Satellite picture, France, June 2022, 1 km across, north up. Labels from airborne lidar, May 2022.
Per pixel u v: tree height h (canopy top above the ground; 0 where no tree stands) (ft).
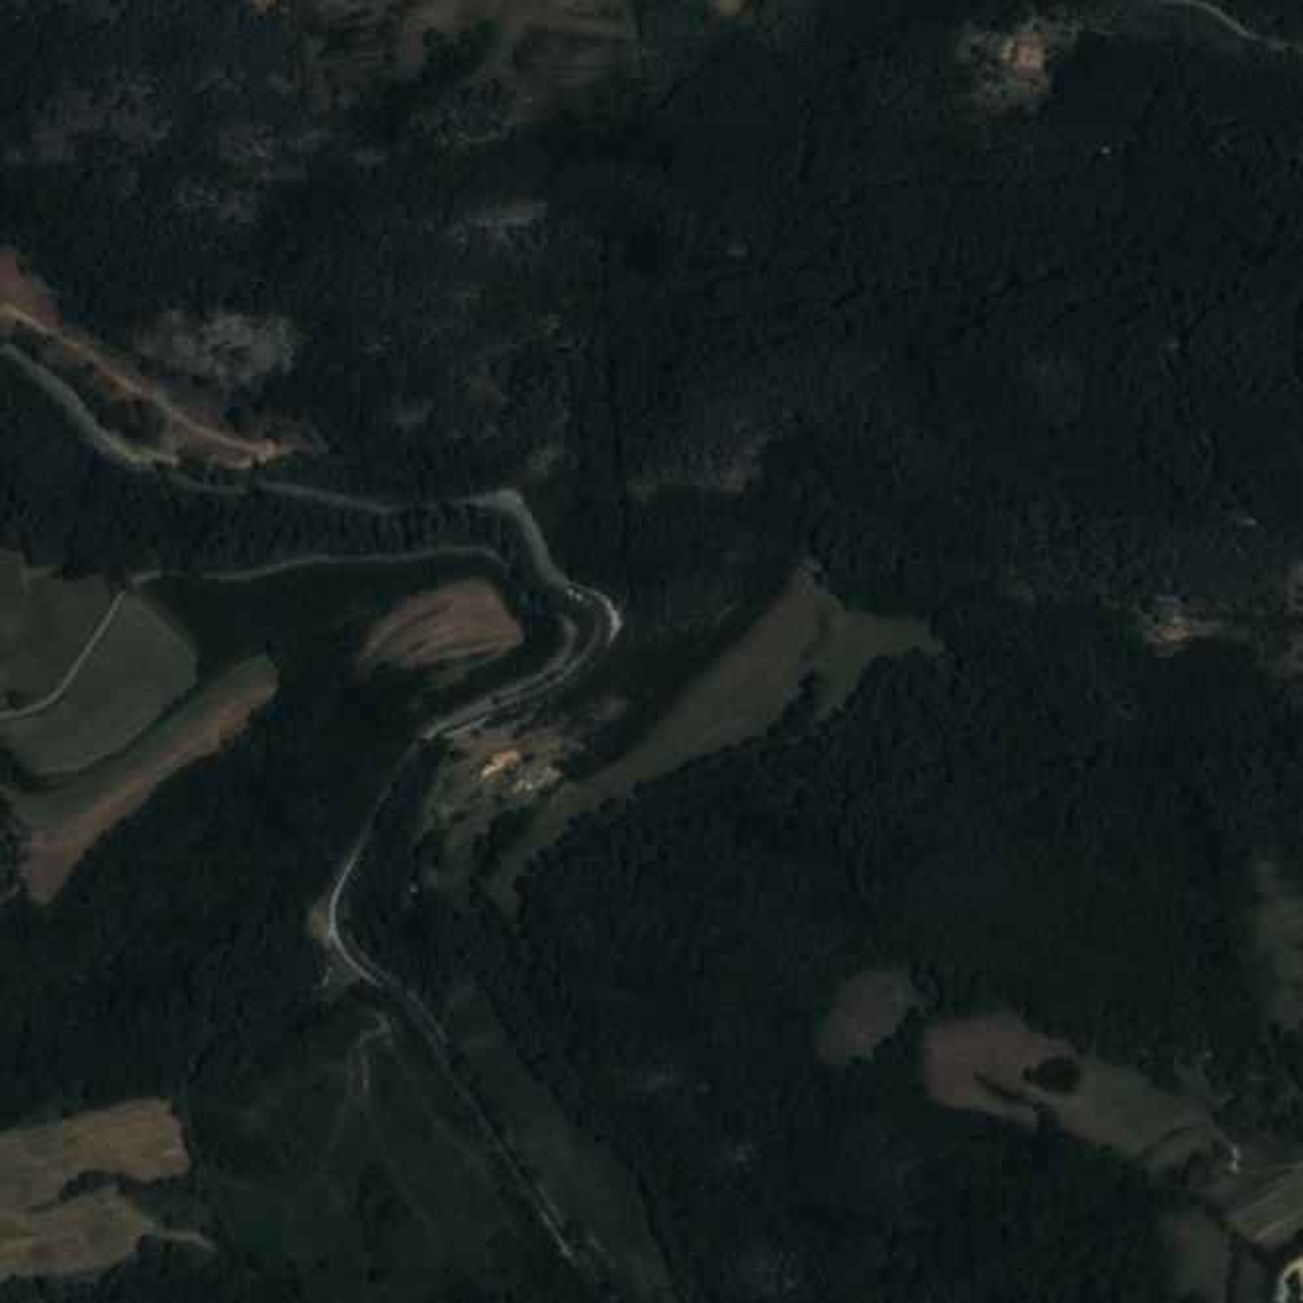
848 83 70
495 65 0
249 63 51
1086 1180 49
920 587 61
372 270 45
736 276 44
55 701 0
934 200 109
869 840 103
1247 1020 81
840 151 106
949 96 34
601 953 31
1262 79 73
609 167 91
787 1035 63
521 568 80
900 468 63
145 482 64
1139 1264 39
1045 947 42
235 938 54
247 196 30
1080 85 57
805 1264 28
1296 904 0
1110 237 58
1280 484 61
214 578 91
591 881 87
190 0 35
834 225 111
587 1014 42
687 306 49
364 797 39
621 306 47
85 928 54
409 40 0
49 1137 0
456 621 0
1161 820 79
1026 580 28
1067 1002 59
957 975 57
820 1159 56
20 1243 0
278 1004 96
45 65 52
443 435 21
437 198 33
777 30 54
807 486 81
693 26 38
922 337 59
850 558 46
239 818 38
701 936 65
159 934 62
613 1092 25
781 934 67
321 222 43
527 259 54
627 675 32
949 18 26
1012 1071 0
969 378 61
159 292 77
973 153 37
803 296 109
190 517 74
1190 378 68
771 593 49
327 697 56
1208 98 83
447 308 52
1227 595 58
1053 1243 44
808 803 84
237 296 46
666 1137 26
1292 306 90
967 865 49
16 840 46
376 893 42
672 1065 38
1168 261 73
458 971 98
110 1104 36
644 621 28
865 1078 52
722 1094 42
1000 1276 40
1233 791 67
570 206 40
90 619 0
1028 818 72
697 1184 45
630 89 18
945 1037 0
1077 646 53
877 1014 0
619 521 98
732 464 39
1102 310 48
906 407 62
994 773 78
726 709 0
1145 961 67
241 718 0
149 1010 62
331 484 79
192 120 31
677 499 37
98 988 47
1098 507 48
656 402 65
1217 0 29
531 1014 65
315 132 33
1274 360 69
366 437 37
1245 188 68
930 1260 51
